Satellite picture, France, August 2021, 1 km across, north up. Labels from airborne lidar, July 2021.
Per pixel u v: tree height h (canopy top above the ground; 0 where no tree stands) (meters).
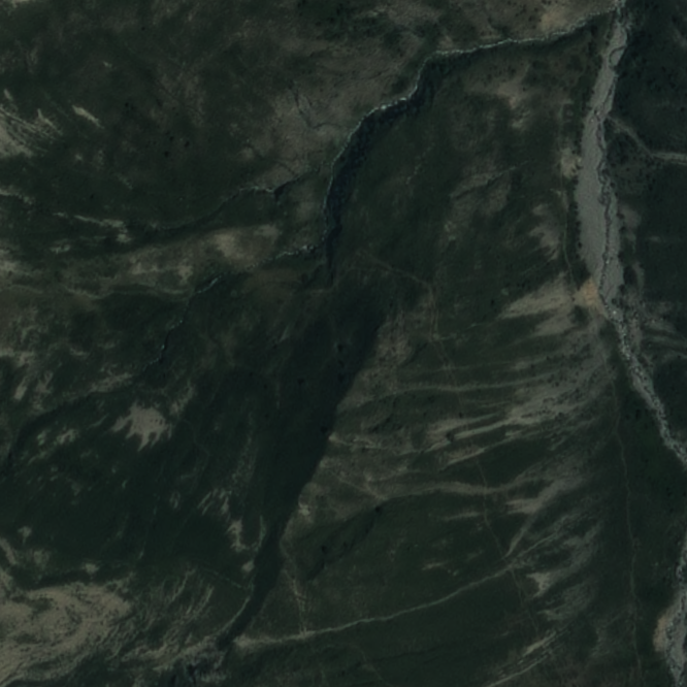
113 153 0
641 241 0
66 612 0
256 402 0
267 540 0
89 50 0
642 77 9
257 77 0
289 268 0
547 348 0
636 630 0
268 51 0
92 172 0
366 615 0
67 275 0
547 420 0
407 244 0
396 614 0
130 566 0
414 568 0
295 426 0
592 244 0
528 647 0
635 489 0
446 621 0
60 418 0
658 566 0
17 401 0
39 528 0
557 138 0
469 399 0
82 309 0
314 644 0
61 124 0
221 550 0
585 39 0
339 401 0
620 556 0
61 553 0
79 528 0
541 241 0
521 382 0
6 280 0
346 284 0
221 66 0
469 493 0
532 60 0
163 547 0
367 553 0
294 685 0
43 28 0
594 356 0
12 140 0
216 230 0
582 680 0
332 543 0
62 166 0
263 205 0
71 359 0
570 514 0
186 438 0
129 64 0
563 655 0
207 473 0
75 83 0
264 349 0
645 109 0
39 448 0
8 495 0
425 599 0
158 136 0
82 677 0
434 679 0
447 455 0
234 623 0
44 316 0
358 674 0
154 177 0
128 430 0
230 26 0
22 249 0
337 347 0
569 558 0
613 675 0
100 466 0
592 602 0
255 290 0
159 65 0
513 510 0
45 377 0
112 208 0
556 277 0
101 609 0
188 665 0
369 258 0
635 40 8
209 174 0
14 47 0
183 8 0
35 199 0
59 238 0
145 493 0
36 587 0
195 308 0
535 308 0
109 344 0
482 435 0
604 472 0
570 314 0
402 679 0
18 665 0
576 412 0
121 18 0
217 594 0
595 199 0
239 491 0
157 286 0
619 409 0
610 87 0
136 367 0
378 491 0
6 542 0
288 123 0
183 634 0
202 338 0
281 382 0
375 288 0
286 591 0
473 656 0
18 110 0
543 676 0
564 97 0
